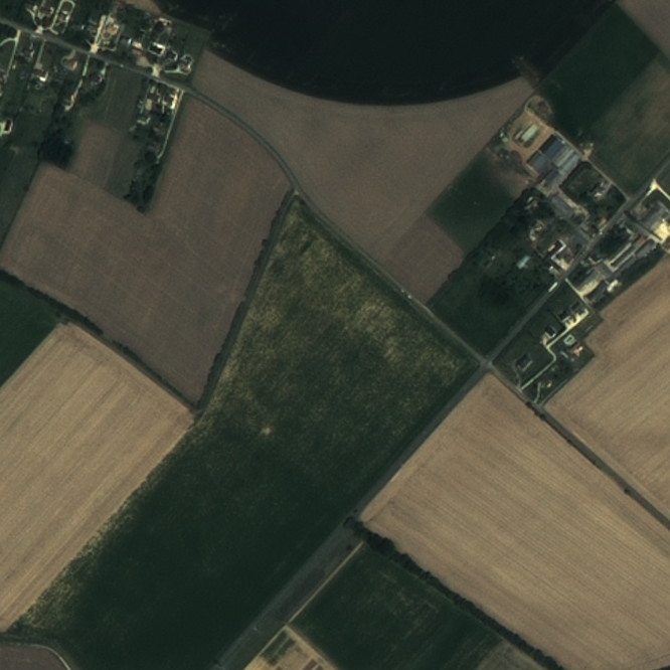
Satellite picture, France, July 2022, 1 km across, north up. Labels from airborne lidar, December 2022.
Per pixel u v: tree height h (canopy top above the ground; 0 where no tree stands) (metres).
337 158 0
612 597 0
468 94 0
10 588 0
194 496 0
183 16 0
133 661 0
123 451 0
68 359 0
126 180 0
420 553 0
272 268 0
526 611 0
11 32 12
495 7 0
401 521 0
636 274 6
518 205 10
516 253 6
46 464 0
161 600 0
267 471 0
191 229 0
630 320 0
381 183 0
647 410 0
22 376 0
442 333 0
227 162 0
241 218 0
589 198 8
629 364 0
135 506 0
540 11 0
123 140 0
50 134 7
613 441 0
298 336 0
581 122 0
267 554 0
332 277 0
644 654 0
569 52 0
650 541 0
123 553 0
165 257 0
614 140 0
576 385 0
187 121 0
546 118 0
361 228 0
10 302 0
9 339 0
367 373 0
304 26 0
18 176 0
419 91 0
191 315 0
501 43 0
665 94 0
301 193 0
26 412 0
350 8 0
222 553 0
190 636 0
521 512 0
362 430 0
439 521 0
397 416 0
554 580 0
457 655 0
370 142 0
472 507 0
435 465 0
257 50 0
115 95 0
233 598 0
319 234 0
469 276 0
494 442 0
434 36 0
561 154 0
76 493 0
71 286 0
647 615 0
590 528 0
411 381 0
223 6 0
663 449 0
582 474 0
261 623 0
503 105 0
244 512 0
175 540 0
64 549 0
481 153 0
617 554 0
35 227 0
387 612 0
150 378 0
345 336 0
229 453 0
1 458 0
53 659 0
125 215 0
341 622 0
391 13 0
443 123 0
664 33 0
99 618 0
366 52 0
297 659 0
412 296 0
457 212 0
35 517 0
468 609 11
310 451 0
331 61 0
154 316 0
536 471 0
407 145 0
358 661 0
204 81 0
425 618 0
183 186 0
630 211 7
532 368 0
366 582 0
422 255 0
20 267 0
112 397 0
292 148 0
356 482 0
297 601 0
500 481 0
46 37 0
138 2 0
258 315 0
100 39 0
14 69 0
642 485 0
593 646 0
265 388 0
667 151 0
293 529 0
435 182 0
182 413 0
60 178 0
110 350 0
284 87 0
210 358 0
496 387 0
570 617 0
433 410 0
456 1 0
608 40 0
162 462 0
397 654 0
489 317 0
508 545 0
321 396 0
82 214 0
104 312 0
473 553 0
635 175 0
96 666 0
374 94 0
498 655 0
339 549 0
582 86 0
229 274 0
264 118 0
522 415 0
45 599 0
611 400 0
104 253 0
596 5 0
